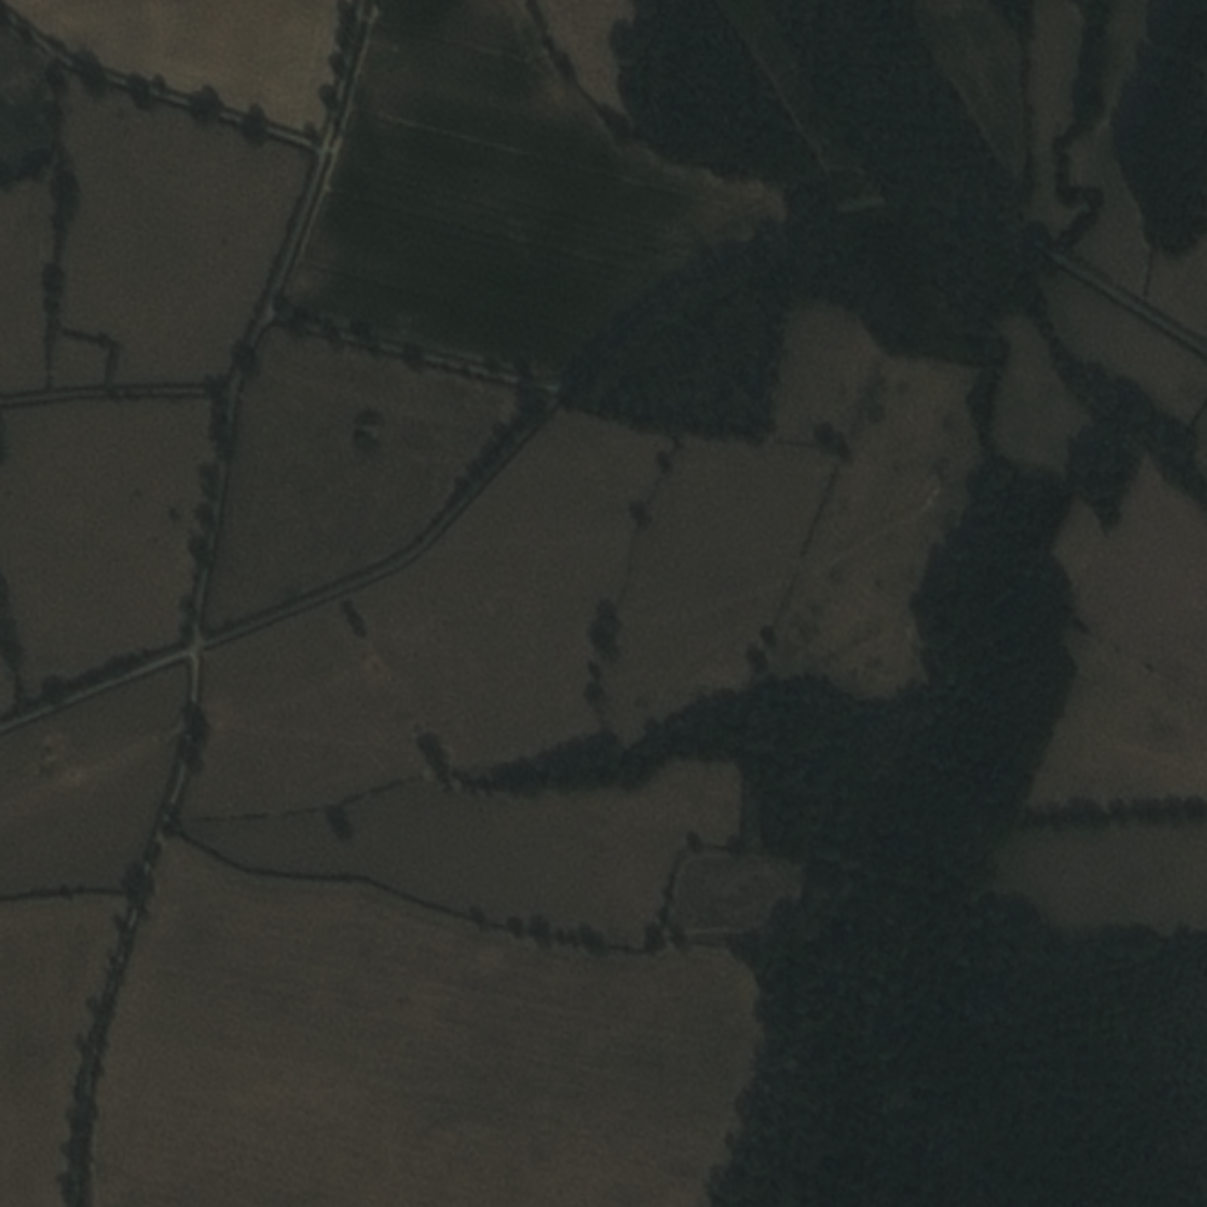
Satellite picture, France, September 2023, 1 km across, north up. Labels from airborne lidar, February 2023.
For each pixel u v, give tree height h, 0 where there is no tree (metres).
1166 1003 13
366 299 0
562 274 0
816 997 21
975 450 0
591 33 0
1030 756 19
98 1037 7
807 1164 7
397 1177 0
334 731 0
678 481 0
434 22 0
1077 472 10
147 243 0
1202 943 9
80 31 0
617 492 0
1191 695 0
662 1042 0
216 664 0
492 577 0
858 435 0
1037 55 0
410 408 0
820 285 21
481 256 0
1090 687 0
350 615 13
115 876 0
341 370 0
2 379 0
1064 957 24
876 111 19
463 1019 0
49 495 0
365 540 0
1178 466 18
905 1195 16
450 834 0
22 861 0
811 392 0
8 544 0
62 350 0
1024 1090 22
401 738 0
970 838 27
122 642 0
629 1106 0
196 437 0
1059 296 0
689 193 0
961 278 16
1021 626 24
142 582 0
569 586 0
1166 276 0
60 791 0
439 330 0
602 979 0
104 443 0
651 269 0
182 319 0
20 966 0
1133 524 0
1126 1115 16
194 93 0
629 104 13
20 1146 0
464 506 0
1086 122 15
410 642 0
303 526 0
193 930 0
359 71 0
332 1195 0
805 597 0
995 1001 27
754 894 0
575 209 0
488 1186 0
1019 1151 22
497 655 0
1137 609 0
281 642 0
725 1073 0
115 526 0
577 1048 0
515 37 0
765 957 25
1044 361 0
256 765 0
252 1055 0
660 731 16
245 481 0
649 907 0
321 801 0
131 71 0
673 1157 0
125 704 0
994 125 0
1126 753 0
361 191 0
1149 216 19
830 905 13
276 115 0
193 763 17
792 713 22
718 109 22
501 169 0
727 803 0
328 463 0
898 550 0
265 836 0
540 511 0
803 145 12
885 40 23
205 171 0
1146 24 0
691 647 0
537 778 20
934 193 25
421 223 0
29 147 0
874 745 17
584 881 0
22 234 0
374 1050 0
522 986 0
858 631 0
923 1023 21
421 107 0
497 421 0
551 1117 0
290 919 0
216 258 0
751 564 0
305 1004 0
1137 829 0
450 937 0
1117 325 0
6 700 0
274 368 0
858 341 0
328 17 0
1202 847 0
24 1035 0
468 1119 0
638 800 0
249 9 0
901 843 22
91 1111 13
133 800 0
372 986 0
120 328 0
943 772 24
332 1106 0
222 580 0
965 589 18
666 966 0
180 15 0
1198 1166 10
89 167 0
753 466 0
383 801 0
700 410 19
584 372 17
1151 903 0
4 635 11
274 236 0
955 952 30
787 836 18
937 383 0
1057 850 0
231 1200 0
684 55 20
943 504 0
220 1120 0
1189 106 25
